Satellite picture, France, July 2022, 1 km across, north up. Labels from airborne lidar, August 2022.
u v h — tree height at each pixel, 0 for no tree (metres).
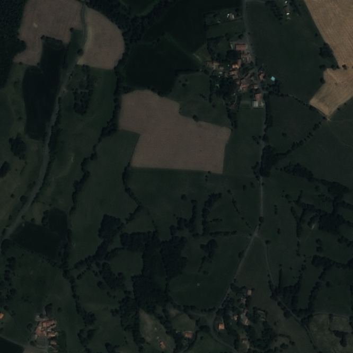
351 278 0
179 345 7
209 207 18
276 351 10
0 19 26
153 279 0
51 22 0
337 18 0
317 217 11
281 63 0
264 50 0
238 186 0
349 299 0
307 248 0
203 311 9
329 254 0
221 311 12
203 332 20
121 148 0
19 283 0
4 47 16
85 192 0
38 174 0
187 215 0
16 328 0
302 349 0
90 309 0
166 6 20
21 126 0
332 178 0
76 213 0
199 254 0
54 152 9
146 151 0
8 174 0
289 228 0
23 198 15
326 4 0
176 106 0
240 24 0
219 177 0
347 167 0
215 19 9
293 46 0
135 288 17
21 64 9
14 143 14
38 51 0
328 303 0
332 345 0
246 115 0
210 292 0
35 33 0
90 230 0
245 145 0
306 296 0
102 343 0
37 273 0
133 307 21
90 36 0
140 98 0
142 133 0
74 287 22
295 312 12
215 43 10
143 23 28
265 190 0
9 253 0
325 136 0
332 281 0
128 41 19
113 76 0
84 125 0
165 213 0
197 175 0
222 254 0
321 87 0
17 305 0
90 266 26
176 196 0
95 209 0
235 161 0
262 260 0
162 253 14
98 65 0
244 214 0
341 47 0
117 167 0
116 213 0
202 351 0
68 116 0
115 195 0
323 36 0
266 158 14
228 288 0
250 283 0
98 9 15
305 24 0
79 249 0
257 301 0
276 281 0
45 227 13
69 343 0
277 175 0
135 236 20
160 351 0
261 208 0
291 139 0
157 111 0
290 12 7
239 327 8
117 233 9
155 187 0
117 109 16
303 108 0
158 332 0
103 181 0
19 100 0
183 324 0
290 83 0
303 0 0
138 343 15
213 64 0
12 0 20
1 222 0
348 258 0
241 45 0
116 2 9
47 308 12
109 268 17
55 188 0
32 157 0
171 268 11
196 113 0
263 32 0
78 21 0
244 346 0
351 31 0
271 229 0
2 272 0
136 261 0
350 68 0
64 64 14
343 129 0
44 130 0
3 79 17
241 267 0
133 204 0
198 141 0
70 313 0
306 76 0
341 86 0
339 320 0
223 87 25
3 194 0
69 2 0
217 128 0
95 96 0
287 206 0
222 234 10
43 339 0
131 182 0
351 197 0
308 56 0
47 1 0
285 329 0
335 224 15
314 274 0
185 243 8
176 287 0
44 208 0
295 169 17
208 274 9
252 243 0
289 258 0
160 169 0
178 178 0
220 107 0
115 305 0
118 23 19
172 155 0
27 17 0
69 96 0
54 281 0
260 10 0
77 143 0
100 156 0
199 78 0
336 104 0
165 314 19
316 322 0
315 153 0
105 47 0
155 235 15
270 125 13
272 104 0
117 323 0
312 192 0
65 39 0
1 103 0
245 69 8
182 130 0
